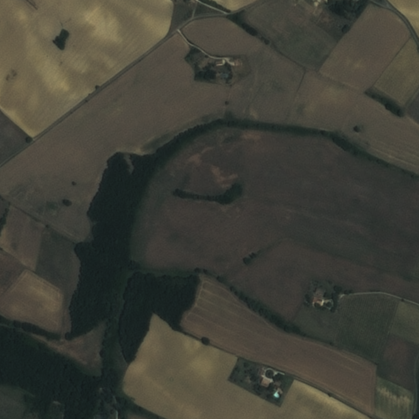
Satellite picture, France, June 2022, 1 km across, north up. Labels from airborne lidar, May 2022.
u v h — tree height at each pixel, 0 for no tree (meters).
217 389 0
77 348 0
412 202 0
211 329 0
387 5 0
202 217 0
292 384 0
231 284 0
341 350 0
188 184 0
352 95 0
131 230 19
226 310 0
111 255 23
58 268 0
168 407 0
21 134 0
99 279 21
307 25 0
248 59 0
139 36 0
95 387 29
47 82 0
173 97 0
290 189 0
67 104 0
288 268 0
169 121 0
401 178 0
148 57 0
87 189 0
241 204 0
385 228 0
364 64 0
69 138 0
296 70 0
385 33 0
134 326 19
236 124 13
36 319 0
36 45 0
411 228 0
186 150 0
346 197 0
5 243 0
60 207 0
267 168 0
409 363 0
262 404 0
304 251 0
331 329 0
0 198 10
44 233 0
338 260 0
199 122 0
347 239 0
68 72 0
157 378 0
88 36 0
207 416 0
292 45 0
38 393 10
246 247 0
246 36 0
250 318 0
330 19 0
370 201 0
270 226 0
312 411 0
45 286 0
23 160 0
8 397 0
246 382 0
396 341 0
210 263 0
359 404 0
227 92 0
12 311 0
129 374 0
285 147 0
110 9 0
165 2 0
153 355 0
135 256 0
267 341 0
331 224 0
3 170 0
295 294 0
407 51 0
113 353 0
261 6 0
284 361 0
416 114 0
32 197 0
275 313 0
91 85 0
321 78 0
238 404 0
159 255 0
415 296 0
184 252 0
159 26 0
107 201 18
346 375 0
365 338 0
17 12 0
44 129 0
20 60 0
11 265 0
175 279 13
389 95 0
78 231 0
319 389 0
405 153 0
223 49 0
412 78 0
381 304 0
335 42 0
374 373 0
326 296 14
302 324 0
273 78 0
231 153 0
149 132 0
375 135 0
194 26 0
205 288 0
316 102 0
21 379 18
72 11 0
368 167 0
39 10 0
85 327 15
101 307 23
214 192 0
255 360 0
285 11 0
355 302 0
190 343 0
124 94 0
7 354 21
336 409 0
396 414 0
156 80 0
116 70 0
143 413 6
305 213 0
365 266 0
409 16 0
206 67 7
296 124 0
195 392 0
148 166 21
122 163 19
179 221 0
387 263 0
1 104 0
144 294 18
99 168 0
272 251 0
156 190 0
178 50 0
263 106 0
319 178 0
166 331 0
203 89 0
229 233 0
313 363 0
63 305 0
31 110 0
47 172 0
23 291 0
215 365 0
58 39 11
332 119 0
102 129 0
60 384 23
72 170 0
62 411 6
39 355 22
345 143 17
